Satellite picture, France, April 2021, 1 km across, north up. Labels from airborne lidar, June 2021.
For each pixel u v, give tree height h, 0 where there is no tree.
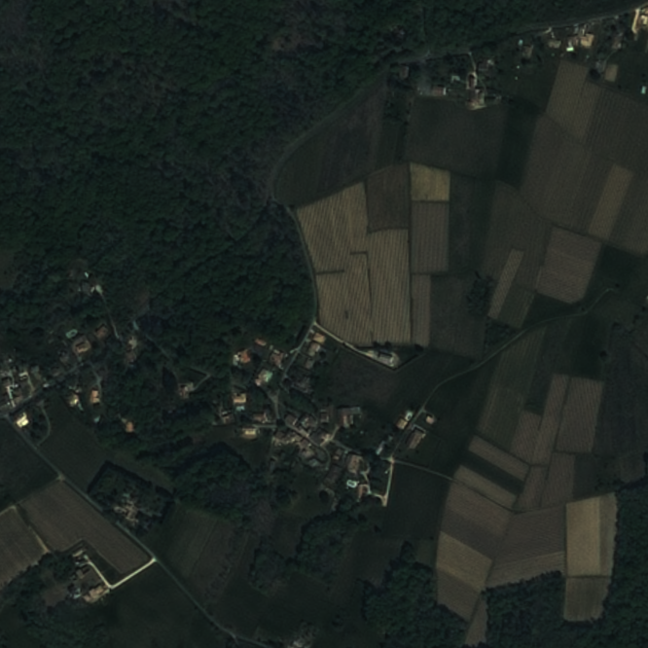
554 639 20
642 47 0
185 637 0
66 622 19
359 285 0
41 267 9
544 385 0
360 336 0
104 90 18
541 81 0
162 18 28
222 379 16
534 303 0
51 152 30
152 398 19
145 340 13
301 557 18
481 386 0
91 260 10
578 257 0
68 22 26
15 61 12
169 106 18
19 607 12
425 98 0
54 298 11
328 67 21
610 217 0
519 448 0
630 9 0
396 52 7
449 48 17
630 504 20
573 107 0
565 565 0
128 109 19
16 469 0
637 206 0
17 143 26
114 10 20
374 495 7
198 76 27
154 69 20
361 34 18
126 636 0
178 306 20
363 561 0
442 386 0
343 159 0
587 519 0
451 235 0
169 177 16
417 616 18
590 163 0
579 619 0
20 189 22
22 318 14
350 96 16
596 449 0
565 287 0
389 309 0
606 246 0
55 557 8
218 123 22
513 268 0
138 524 6
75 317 14
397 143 0
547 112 0
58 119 24
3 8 14
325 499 11
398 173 0
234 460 17
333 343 0
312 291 13
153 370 28
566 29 0
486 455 0
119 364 8
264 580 13
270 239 13
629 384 0
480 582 0
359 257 0
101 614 0
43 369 8
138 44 30
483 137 0
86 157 18
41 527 0
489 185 0
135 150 20
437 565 0
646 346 0
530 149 0
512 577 0
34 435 8
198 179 23
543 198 0
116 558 0
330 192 0
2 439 0
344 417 0
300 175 0
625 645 26
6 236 20
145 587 0
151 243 17
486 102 6
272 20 18
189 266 22
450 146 0
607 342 0
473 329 0
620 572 16
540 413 0
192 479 19
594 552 0
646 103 0
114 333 8
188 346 19
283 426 11
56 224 20
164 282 23
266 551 12
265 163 16
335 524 16
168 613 0
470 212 0
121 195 25
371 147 0
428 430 0
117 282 12
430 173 0
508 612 9
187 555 0
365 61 26
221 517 18
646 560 23
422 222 0
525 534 0
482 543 0
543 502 0
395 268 0
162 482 0
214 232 18
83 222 14
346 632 0
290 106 22
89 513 0
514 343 0
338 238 0
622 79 0
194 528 0
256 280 27
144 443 15
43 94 21
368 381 0
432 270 0
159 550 0
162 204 27
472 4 14
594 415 0
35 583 9
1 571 0
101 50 20
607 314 0
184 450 18
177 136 17
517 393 0
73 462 0
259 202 16
